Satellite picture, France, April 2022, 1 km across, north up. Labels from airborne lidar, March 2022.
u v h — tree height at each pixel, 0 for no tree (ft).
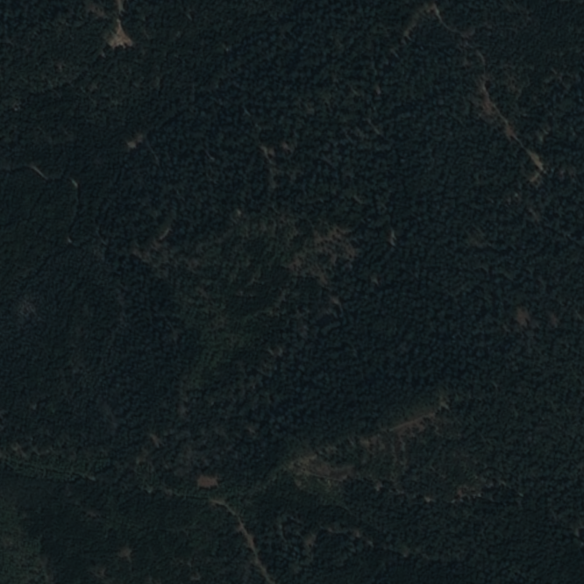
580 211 89
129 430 75
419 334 69
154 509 41
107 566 30
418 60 50
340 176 41
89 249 92
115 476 60
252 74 68
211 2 72
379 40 28
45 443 63
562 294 66
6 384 75
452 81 37
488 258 79
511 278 58
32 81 71
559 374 27
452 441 28
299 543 70
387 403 80
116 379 55
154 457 48
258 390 66
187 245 95
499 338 36
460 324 73
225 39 66
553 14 34
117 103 83
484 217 57
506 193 57
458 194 66
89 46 82
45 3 72
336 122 51
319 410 92
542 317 70
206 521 39
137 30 96
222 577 31
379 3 63
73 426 69
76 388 91
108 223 94
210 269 27
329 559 45
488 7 86
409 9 71
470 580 91
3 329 94
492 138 51
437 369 86
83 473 30
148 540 40
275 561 38
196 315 30
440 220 71
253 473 24
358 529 61
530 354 92
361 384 60
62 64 62
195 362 33
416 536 77
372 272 96
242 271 29
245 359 50
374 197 28
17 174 59
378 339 69
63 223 81
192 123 60
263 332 22
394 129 97
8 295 56
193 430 52
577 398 85
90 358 82
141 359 67
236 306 29
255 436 22
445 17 31
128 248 79
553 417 97
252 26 62
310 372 81
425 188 79
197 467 32
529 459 92
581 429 76
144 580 22
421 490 54
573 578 49
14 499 50
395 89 81
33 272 68
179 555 27
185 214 80
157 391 64
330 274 53
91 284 71
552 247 55
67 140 90
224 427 86
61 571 58
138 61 70
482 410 79
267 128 64
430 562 28
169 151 84
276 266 32
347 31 85
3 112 72
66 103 66
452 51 70
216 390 45
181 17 54
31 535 52
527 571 87
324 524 60
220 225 40
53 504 49
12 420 61
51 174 59
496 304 39
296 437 22
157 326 45
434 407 47
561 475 62
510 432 78
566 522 81
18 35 61
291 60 28
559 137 91
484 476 70
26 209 55
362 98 31
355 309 99
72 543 46
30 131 91
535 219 99
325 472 0
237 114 60
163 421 47
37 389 53
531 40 40
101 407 70
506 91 56
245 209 51
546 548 78
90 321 65
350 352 106
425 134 58
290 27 117
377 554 56
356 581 48
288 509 52
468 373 55
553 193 58
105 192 86
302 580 56
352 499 49
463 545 105
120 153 78
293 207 61
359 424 70
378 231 31
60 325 73
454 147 67
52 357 48
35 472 37
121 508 40
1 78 58
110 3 35
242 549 36
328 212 42
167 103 91
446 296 79
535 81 38
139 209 71
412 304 105
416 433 24
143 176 72
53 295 86
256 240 24
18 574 78
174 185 59
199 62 100
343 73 71
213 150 58
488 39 33
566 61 39
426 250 102
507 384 87
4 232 93
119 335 60
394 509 71
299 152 39
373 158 102
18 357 81
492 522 76
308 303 48
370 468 24
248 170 82
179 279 37
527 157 66
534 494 98
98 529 33
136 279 71
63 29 63
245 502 42
